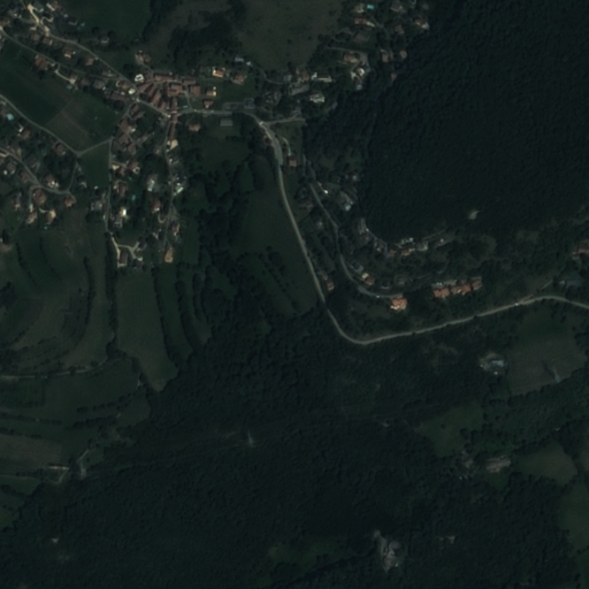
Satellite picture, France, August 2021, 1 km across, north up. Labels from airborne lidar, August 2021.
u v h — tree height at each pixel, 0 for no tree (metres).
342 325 6
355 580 16
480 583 15
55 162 9
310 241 15
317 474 34
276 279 11
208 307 22
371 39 0
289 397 24
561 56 16
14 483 0
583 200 15
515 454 7
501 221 14
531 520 18
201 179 19
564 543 21
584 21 15
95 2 0
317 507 17
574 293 20
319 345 13
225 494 17
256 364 27
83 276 0
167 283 0
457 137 12
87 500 14
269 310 18
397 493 9
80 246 0
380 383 7
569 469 0
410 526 7
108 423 9
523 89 16
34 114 0
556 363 0
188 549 10
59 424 8
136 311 0
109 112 0
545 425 8
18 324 0
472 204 15
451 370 13
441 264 9
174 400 14
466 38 18
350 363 7
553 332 0
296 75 16
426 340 7
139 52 0
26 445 0
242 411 11
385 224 10
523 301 0
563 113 16
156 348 0
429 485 20
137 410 0
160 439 7
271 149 11
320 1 0
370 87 18
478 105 13
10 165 0
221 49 8
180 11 0
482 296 9
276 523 19
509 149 19
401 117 19
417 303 15
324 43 7
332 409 12
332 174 8
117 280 12
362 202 11
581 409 12
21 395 0
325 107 11
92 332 0
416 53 17
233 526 18
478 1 24
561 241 11
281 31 0
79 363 0
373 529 12
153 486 18
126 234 0
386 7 14
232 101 0
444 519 12
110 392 0
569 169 14
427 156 10
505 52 16
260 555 18
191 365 16
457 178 15
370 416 7
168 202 15
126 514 13
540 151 16
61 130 0
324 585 19
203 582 18
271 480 17
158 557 9
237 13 12
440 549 14
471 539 10
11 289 15
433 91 21
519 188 16
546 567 17
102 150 0
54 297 0
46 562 12
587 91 15
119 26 0
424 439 10
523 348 0
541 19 18
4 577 17
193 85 0
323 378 9
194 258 0
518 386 0
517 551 22
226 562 15
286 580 14
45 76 19
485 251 7
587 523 0
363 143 9
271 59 0
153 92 0
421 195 12
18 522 13
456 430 0
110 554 18
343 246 14
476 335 6
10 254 0
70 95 0
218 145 0
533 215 16
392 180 9
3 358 9
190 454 15
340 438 15
